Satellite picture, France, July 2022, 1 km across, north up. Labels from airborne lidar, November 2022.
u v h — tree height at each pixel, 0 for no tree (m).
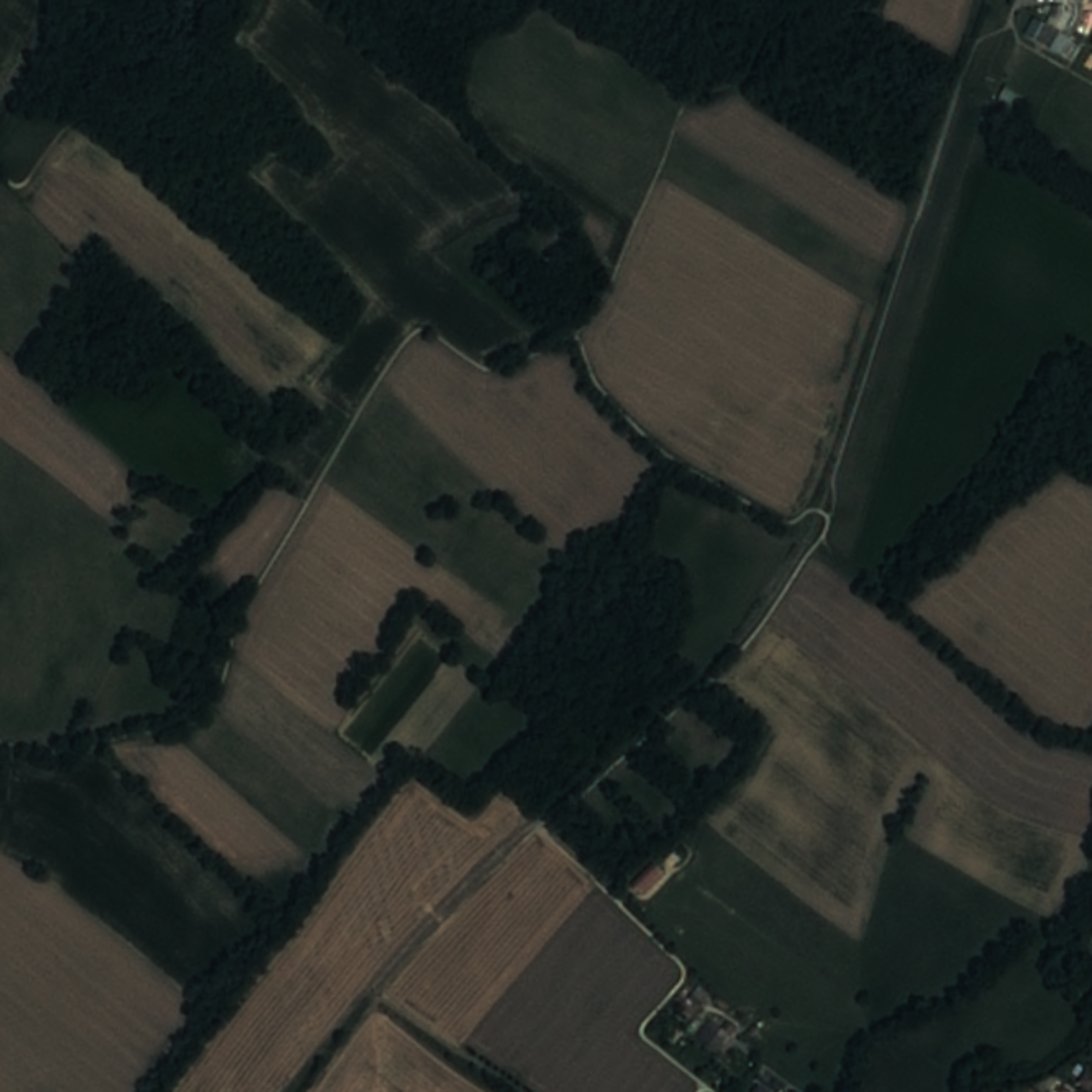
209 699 22
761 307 0
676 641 22
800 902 0
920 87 21
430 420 0
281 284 20
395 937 0
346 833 21
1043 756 0
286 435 11
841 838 0
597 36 19
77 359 18
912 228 0
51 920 0
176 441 0
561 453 0
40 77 20
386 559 0
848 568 0
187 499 21
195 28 14
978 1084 20
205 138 20
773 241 0
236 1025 0
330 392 0
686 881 0
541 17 0
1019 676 0
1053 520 0
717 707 21
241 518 16
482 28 10
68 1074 0
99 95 24
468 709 0
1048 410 26
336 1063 0
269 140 17
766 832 0
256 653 0
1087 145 0
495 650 0
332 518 0
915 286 0
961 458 0
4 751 16
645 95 0
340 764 0
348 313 18
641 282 0
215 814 0
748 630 0
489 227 0
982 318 0
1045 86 0
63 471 0
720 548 0
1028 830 0
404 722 0
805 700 0
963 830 0
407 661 0
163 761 0
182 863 0
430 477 0
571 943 0
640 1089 0
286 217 9
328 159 13
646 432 0
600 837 20
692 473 14
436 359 0
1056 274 0
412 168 0
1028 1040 0
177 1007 0
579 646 28
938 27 0
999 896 0
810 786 0
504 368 18
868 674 0
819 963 0
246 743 0
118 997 0
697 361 0
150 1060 0
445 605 14
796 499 0
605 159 0
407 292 0
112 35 24
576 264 7
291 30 0
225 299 0
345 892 0
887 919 0
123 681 0
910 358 0
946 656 18
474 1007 0
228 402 19
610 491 0
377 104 0
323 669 0
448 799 16
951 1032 0
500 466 0
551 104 0
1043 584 0
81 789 0
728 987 0
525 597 0
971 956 0
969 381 0
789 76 28
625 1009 0
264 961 20
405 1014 0
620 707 9
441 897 0
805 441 0
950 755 0
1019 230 0
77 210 0
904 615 19
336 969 0
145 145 22
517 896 0
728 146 0
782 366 0
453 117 16
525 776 20
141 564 22
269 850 0
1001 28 0
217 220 20
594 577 14
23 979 0
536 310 21
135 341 11
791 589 0
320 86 0
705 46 31
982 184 0
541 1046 0
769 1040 0
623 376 0
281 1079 0
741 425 0
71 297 25
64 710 0
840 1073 0
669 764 25
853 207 0
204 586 30
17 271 0
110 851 0
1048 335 0
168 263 0
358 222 0
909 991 0
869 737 0
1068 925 24
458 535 0
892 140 7
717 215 0
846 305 0
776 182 0
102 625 0
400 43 13
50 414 0
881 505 0
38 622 0
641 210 0
